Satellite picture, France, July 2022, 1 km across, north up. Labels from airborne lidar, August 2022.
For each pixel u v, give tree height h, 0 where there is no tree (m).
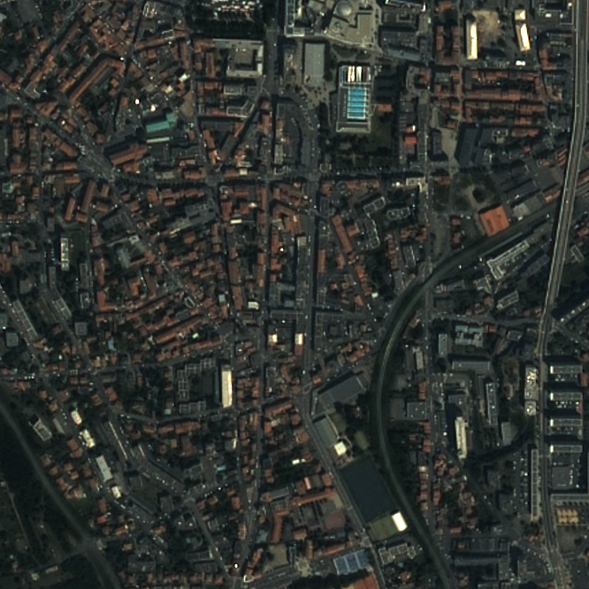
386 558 0
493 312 7
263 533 0
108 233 14
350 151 7
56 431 6
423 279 0
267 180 0
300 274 0
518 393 7
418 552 0
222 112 0
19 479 11
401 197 11
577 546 9
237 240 0
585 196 0
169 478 0
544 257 0
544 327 0
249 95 0
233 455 7
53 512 10
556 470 0
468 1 0
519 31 0
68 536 0
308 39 0
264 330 0
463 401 0
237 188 0
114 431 0
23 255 0
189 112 0
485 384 0
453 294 11
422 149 0
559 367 0
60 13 0
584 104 0
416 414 0
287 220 0
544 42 0
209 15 14
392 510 0
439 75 0
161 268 0
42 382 6
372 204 0
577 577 0
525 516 0
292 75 0
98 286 15
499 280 0
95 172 0
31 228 6
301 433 0
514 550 0
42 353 0
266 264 0
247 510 0
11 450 8
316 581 17
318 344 0
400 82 12
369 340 0
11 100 0
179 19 0
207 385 0
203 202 0
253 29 16
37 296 13
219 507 8
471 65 0
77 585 8
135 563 0
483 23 0
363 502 0
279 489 0
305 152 0
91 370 0
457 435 0
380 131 0
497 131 0
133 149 0
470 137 0
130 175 7
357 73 0
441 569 0
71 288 21
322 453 0
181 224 0
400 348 6
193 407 0
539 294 11
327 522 0
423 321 0
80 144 6
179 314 0
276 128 0
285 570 0
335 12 0
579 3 0
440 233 0
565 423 0
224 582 6
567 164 0
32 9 0
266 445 7
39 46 0
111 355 0
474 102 0
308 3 0
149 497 0
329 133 11
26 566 7
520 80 8
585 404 7
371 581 0
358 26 0
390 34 0
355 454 12
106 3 0
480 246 0
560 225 0
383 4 0
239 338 0
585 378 0
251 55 0
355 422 20
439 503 10
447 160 0
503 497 0
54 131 6
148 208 7
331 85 0
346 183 0
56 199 17
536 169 0
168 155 0
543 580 0
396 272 0
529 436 7
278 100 0
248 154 9
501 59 0
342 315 0
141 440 6
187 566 11
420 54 0
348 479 0
